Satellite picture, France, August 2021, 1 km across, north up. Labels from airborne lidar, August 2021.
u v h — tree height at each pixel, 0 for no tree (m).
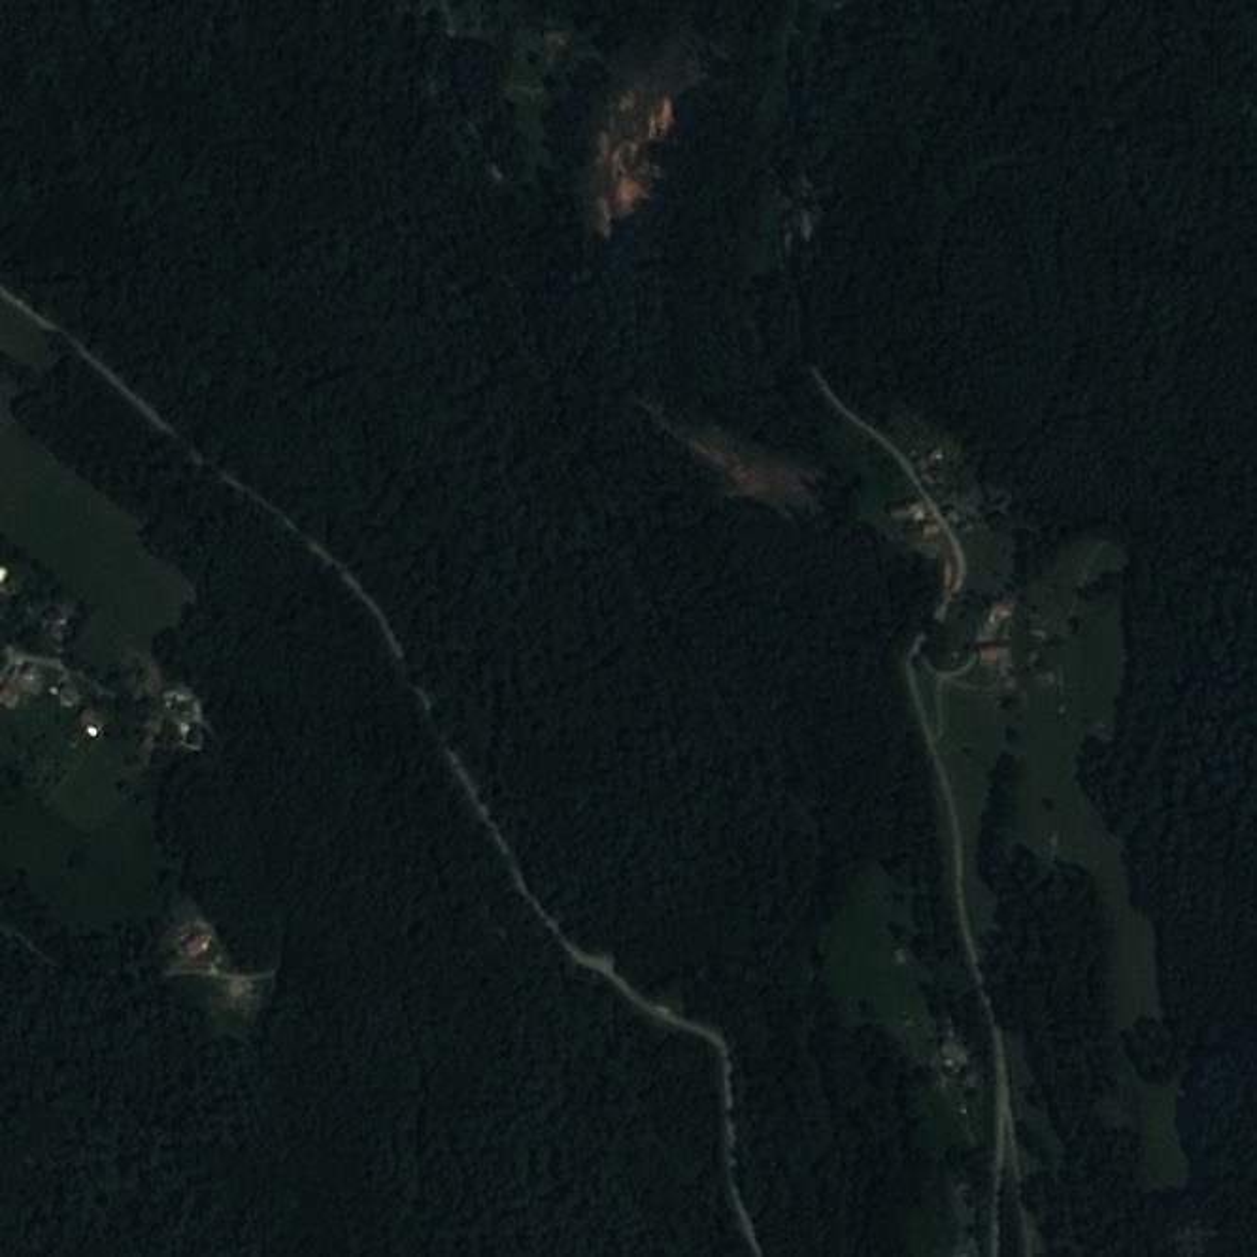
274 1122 26
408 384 25
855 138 26
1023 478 20
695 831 29
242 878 23
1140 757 18
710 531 24
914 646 0
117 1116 24
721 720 15
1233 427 27
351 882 29
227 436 27
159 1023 10
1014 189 15
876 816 21
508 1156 33
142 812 0
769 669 36
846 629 31
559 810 26
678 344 37
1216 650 25
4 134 10
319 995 22
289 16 18
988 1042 9
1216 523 34
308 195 14
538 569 39
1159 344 35
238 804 24
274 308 32
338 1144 26
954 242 14
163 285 14
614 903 29
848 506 9
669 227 29
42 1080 22
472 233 23
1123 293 28
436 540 27
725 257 31
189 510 8
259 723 15
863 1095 39
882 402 22
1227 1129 42
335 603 12
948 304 9
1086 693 0
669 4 28
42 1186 23
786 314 22
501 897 30
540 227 9
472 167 10
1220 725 33
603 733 23
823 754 35
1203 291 33
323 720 24
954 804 0
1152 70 22
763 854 15
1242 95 23
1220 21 28
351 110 17
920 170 9
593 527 7
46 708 0
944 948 17
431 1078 30
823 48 6
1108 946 18
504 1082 31
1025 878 22
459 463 33
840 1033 25
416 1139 18
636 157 0
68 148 21
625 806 26
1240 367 26
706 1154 7
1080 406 31
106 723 5
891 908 0
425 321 29
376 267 29
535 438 12
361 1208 19
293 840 25
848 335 31
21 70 13
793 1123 34
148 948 26
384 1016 34
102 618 0
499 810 24
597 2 35
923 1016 0
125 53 31
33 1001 29
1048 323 16
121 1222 15
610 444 21
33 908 15
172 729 6
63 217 9
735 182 30
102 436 14
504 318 25
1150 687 16
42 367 0
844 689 30
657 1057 7
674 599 23
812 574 31
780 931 32
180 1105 11
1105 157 31
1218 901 27
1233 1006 19
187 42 23
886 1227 35
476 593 28
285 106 34
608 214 0
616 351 32
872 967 0
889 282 25
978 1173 9
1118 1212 28
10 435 0
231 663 15
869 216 28
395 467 31
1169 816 22
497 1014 28
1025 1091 6
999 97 12
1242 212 26
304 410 30
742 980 28
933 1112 0
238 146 10
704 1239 5
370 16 16
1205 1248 28
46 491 0
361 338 31
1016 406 18
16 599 11
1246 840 17
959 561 0
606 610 24
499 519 35
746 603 28
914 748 20
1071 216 27
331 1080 29
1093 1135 29
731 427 34
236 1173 17
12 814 0
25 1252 21
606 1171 26
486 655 23
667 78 0
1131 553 8
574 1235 32
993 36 30
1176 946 17
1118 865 0
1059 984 18
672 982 18
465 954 31
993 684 0
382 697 21
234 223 29
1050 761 0
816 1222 29
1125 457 31
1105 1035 26
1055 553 9
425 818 18
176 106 15
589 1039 6
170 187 25
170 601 0
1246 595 29
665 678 10
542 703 38
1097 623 0
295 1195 18
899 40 29
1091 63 30
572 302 38
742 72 6
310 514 22
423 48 20
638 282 32
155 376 19
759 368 27
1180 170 26
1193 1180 0
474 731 9
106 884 0
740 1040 25
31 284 22
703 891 6
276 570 24
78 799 0
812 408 30
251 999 0
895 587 26
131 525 0
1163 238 26
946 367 20
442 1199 28
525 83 0
